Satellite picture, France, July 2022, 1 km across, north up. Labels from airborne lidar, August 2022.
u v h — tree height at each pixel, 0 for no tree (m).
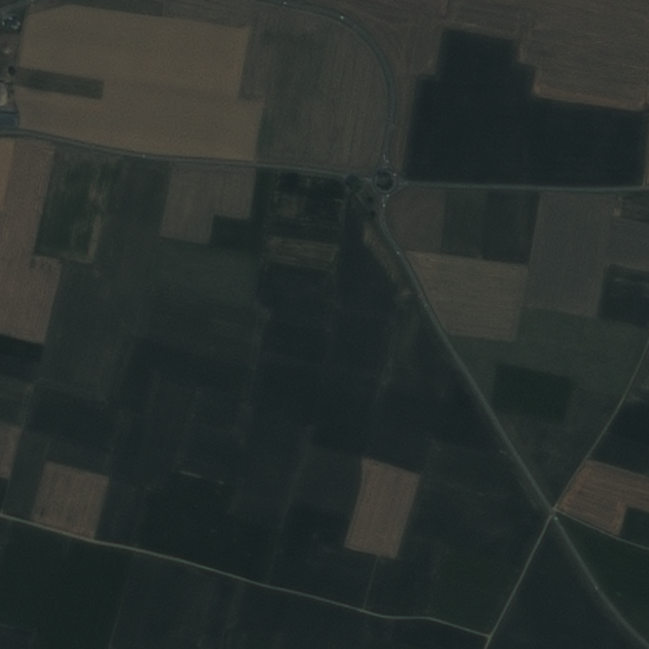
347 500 0
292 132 0
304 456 0
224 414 0
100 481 0
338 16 0
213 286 0
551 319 0
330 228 0
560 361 0
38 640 0
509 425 0
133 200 0
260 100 0
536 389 0
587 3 0
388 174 9
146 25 0
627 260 0
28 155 0
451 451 0
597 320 0
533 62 0
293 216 0
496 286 0
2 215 0
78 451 0
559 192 0
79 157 0
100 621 0
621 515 0
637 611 0
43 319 0
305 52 0
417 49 0
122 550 0
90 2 0
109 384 0
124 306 0
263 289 0
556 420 0
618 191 0
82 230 0
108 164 0
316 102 0
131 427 0
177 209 0
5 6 0
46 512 0
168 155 0
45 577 0
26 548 0
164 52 0
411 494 0
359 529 0
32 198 0
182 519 0
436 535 0
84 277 0
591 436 0
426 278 0
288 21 0
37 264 0
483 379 0
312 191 0
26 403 0
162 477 0
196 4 0
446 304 0
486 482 0
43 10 0
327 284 0
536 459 0
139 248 0
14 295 0
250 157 0
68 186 0
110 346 0
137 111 0
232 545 0
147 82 0
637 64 0
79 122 0
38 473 0
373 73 0
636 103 0
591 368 0
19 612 0
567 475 0
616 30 0
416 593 0
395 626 0
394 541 0
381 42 0
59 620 0
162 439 0
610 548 0
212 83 0
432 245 0
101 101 0
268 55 0
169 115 0
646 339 0
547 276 0
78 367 0
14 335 0
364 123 0
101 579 0
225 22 0
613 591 0
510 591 0
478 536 0
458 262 0
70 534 0
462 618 0
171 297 0
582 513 0
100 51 0
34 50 0
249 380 0
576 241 0
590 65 0
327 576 0
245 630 0
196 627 0
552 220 0
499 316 0
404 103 0
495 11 0
